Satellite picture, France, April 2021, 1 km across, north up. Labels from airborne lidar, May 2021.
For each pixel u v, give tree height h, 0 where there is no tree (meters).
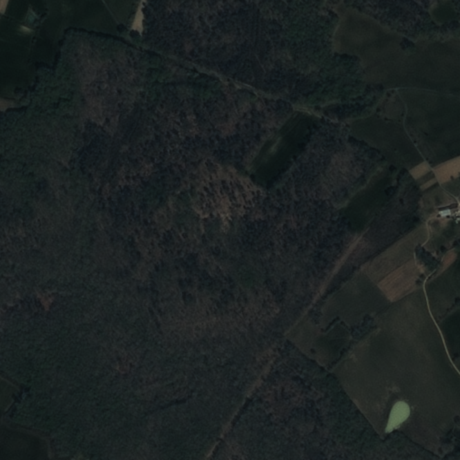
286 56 19
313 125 0
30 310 24
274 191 21
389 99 12
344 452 10
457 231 0
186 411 14
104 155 22
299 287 13
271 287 24
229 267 12
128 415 14
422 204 0
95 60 14
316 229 24
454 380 0
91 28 0
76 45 16
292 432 8
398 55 0
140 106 12
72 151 13
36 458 0
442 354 0
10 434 0
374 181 0
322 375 18
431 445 0
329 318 0
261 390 9
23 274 18
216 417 17
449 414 0
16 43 0
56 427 19
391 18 20
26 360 22
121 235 10
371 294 0
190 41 22
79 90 17
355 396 0
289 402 9
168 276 19
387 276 0
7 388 0
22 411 20
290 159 0
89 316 20
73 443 16
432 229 0
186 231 18
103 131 19
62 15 0
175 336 12
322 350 0
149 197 15
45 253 17
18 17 0
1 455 0
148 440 17
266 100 9
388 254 0
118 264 14
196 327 14
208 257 11
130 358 14
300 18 22
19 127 24
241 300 13
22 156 16
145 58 19
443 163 0
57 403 16
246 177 16
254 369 22
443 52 0
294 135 0
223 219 17
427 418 0
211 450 22
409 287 0
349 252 0
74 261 22
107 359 16
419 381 0
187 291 15
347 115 17
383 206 8
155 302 12
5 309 8
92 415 19
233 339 16
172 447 18
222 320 10
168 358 16
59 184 20
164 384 14
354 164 14
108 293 20
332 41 18
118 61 13
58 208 19
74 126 18
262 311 9
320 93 25
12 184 21
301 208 21
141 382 12
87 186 16
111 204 9
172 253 10
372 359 0
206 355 13
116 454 15
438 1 16
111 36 10
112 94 9
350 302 0
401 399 0
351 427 21
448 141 0
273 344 18
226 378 14
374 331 14
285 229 7
